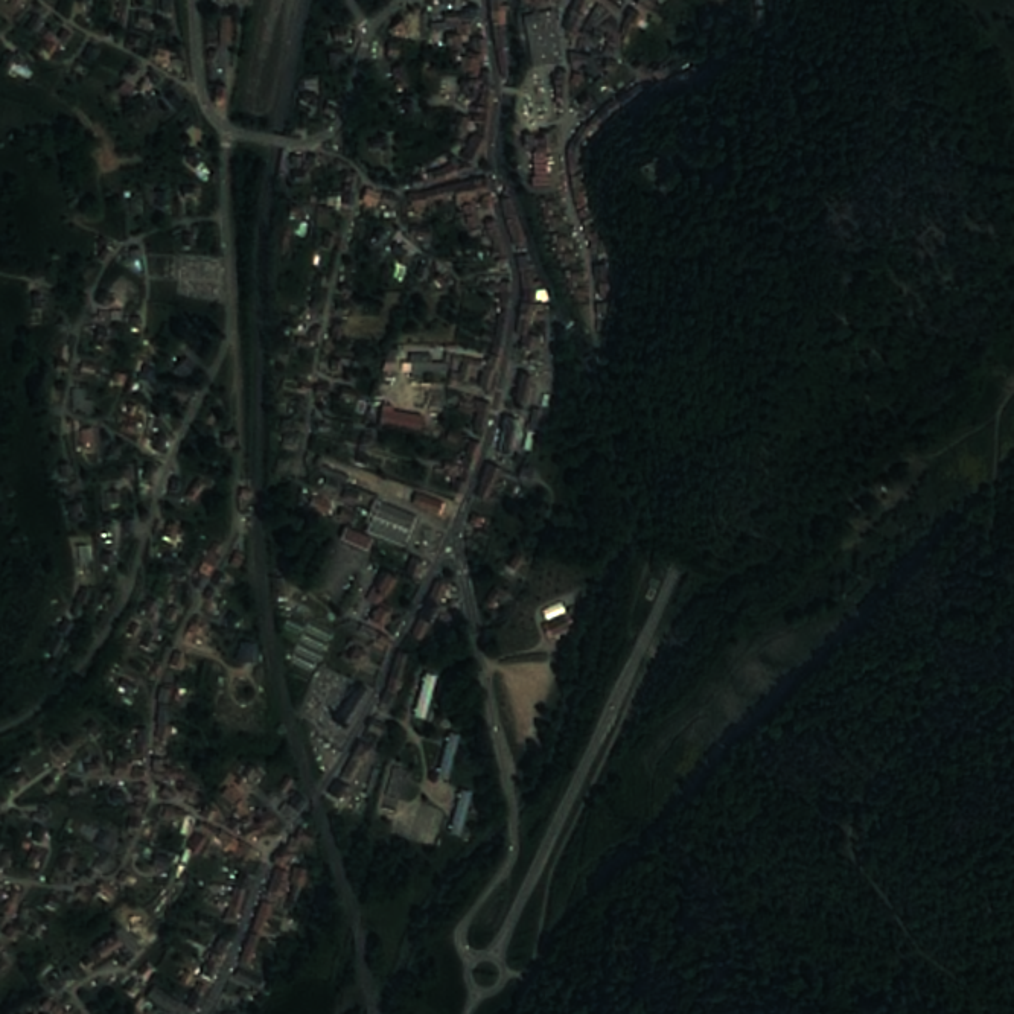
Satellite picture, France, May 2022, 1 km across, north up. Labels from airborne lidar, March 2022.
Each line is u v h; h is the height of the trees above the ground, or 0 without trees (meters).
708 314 24
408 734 0
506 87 0
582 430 21
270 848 0
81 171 19
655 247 21
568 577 0
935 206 27
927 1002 15
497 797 21
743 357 21
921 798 18
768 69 21
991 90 7
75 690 22
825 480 25
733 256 24
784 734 21
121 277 0
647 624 0
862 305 15
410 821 0
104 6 8
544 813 0
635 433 20
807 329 20
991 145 8
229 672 0
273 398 7
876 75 26
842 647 21
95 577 0
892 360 22
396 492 0
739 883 26
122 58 0
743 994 27
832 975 34
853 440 16
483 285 6
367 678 0
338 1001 0
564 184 0
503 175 0
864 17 23
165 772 0
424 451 11
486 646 16
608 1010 26
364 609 0
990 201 21
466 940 0
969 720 27
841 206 24
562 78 0
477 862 15
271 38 0
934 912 19
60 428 0
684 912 23
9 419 21
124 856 0
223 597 0
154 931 0
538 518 8
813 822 17
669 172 27
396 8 0
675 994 29
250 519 0
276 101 0
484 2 0
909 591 23
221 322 0
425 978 13
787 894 22
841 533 25
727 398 19
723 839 29
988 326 24
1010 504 7
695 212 15
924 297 16
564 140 0
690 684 11
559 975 8
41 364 16
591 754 0
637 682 0
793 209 19
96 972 0
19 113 0
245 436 0
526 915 0
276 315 7
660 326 19
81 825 0
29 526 0
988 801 15
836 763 22
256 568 0
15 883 0
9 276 0
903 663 23
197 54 0
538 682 0
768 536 23
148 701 0
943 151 29
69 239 0
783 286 21
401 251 0
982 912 25
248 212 16
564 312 0
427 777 0
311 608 0
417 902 0
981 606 18
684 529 19
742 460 17
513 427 0
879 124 24
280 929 0
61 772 0
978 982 17
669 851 33
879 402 28
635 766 0
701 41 18
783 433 18
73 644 11
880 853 19
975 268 25
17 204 0
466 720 16
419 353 0
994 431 0
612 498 21
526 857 0
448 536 0
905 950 29
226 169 0
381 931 0
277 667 0
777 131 29
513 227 0
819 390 20
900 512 8
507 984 0
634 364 23
